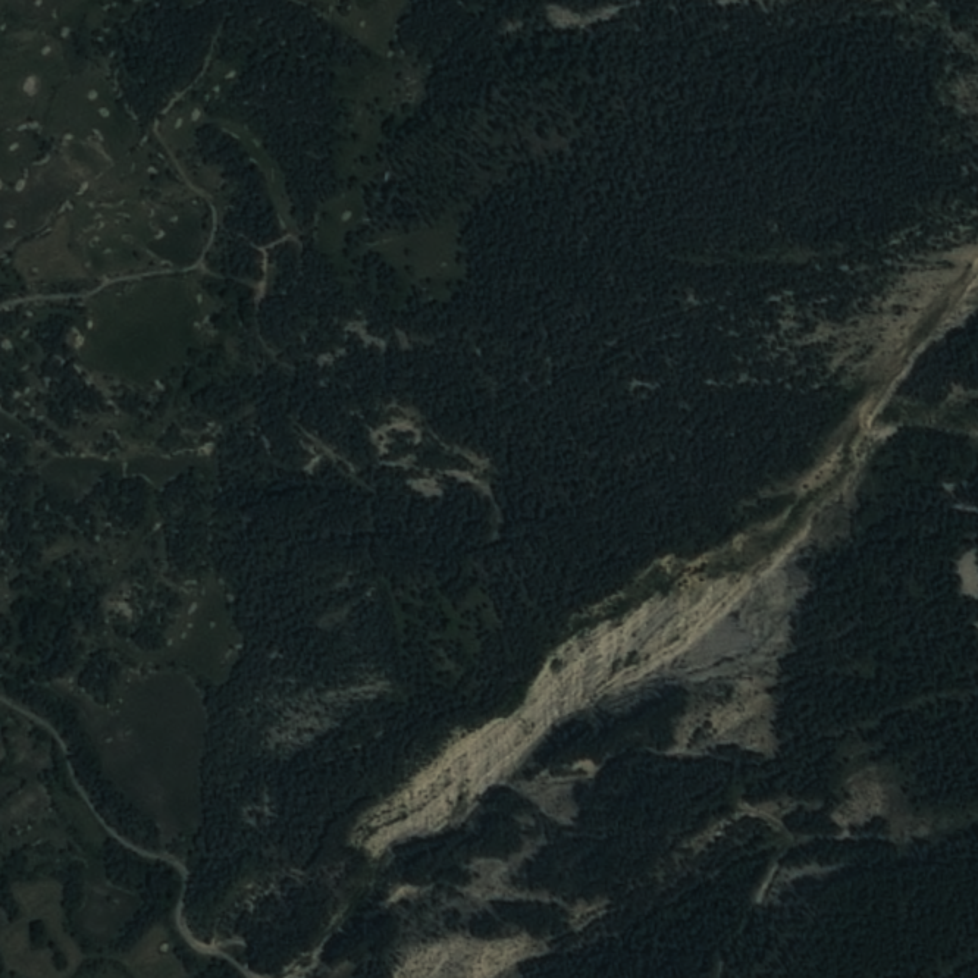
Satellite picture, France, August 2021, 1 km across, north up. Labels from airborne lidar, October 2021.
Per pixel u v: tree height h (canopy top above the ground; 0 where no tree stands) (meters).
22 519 6
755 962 12
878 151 6
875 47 9
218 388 9
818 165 7
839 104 7
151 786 0
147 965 0
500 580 14
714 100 7
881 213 8
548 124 20
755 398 7
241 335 8
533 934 11
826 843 12
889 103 6
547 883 11
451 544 10
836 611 15
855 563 14
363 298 6
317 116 6
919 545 14
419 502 12
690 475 8
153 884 17
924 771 7
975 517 12
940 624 14
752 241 7
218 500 8
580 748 12
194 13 6
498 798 14
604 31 12
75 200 0
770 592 0
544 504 12
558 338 10
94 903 0
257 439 9
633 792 7
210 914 13
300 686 6
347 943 19
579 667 0
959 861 12
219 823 10
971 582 0
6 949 0
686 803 12
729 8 8
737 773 14
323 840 18
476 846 12
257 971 12
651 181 9
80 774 11
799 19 7
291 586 8
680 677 0
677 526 10
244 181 10
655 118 12
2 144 0
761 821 15
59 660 10
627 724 10
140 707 0
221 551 7
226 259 7
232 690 7
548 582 11
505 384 9
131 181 0
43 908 0
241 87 6
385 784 7
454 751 0
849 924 9
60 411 7
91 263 0
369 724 11
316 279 7
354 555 10
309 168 9
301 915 20
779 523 0
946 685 12
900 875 12
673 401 9
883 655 11
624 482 10
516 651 8
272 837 9
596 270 10
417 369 12
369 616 6
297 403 9
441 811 0
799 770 14
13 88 0
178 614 0
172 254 0
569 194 13
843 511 0
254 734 7
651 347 9
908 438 7
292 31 9
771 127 8
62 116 0
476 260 8
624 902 16
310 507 13
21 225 0
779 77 16
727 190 8
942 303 0
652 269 12
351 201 0
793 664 9
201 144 6
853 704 12
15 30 0
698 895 16
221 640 0
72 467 0
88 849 7
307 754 10
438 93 9
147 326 0
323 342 7
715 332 6
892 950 11
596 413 9
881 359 0
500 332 7
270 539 13
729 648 0
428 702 13
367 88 0
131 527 7
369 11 0
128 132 0
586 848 11
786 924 13
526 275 9
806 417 7
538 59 20
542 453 8
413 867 15
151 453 0
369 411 7
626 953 13
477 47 8
